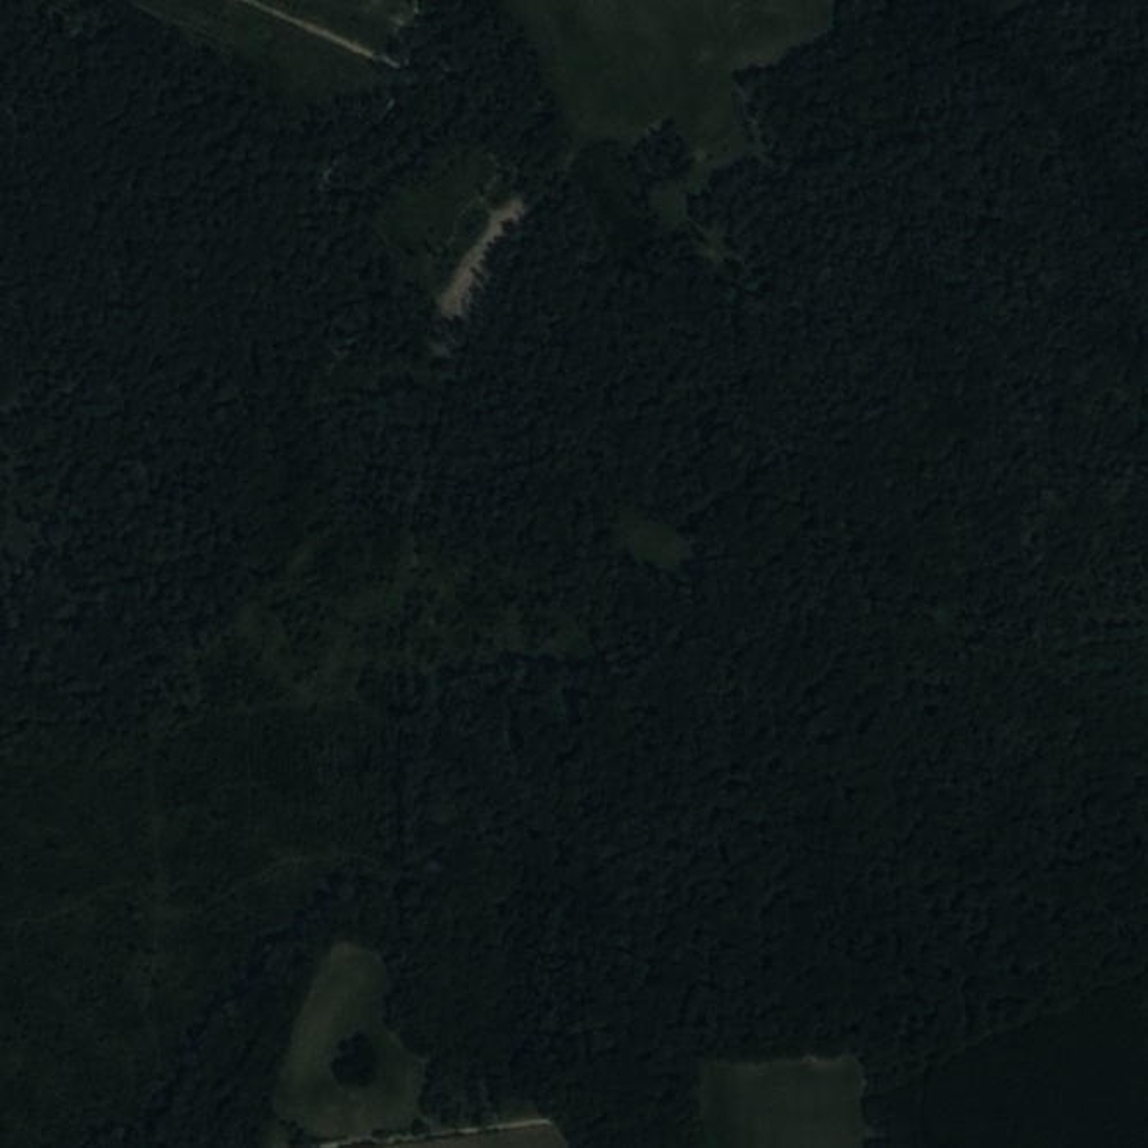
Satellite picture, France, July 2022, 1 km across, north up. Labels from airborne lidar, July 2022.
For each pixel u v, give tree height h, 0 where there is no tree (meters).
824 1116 0
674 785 23
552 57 0
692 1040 18
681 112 0
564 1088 25
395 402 29
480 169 0
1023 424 30
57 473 21
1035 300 26
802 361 28
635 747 19
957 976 30
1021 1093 14
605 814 27
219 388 26
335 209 27
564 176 23
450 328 20
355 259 25
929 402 29
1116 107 19
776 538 26
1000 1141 18
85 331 27
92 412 27
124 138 27
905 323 22
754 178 16
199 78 21
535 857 27
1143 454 21
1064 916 22
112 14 26
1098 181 19
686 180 22
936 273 28
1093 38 24
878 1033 28
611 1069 25
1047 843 27
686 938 25
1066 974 31
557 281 30
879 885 25
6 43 27
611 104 0
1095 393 25
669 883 26
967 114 34
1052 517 25
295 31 0
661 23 0
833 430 31
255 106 20
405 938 17
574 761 30
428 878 29
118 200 28
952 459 20
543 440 24
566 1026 26
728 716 27
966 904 28
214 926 6
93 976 7
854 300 27
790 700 24
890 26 25
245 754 6
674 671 30
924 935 27
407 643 17
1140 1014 11
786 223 22
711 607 25
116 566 22
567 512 17
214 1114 14
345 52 0
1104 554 16
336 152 9
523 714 36
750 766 27
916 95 28
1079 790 22
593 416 23
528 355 22
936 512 28
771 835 29
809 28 0
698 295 29
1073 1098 16
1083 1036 11
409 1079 0
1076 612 13
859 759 26
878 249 29
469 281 0
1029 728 21
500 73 32
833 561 21
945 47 24
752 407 30
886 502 26
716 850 32
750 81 23
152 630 24
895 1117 14
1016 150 24
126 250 17
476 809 30
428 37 22
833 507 25
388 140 27
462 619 12
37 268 28
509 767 32
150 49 21
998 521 19
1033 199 25
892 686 25
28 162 26
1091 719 23
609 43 0
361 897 23
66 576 23
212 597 27
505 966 23
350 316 25
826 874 23
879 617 25
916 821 23
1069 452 26
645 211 28
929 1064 10
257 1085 15
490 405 25
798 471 29
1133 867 26
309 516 24
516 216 0
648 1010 25
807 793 28
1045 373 27
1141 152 19
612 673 30
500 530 19
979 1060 11
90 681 27
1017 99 30
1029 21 21
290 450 24
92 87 29
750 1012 22
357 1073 11
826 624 28
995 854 28
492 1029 23
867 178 30
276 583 23
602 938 26
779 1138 0
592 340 25
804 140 8
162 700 27
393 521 22
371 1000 0
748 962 28
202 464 17
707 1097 0
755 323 29
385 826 8
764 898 29
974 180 32
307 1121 0
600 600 24
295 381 28
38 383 19
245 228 27
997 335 27
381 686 8
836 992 28
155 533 26
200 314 24
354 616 0
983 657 19
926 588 24
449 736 31
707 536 30
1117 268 25
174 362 26
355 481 26
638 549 0
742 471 22
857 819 25
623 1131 23
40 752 24
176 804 14
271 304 22
